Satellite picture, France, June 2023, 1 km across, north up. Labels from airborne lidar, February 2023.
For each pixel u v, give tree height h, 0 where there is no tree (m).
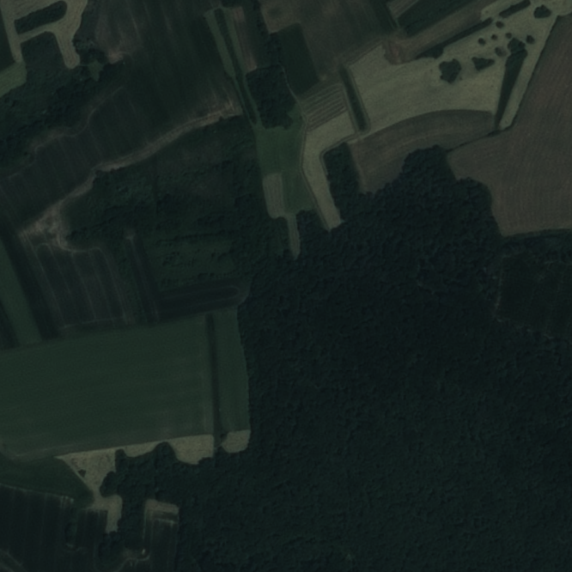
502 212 0
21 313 0
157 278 0
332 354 23
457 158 0
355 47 0
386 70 0
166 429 0
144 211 16
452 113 0
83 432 0
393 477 20
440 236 23
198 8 0
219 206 0
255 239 7
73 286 0
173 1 0
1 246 0
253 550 21
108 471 0
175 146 0
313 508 22
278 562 23
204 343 0
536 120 0
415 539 22
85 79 6
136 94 0
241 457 16
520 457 22
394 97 0
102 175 13
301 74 0
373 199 12
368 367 26
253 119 7
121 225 15
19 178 0
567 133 0
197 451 0
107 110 0
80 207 0
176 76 0
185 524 15
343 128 0
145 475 21
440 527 24
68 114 14
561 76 0
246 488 27
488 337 30
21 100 6
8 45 0
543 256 27
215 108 0
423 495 21
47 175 0
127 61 0
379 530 20
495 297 30
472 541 23
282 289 27
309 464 22
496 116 0
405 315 30
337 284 28
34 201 0
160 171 0
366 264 28
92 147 0
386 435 19
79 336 0
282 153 0
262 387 22
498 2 0
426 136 0
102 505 0
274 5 0
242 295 0
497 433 19
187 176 7
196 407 0
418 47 0
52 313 0
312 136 0
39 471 0
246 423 0
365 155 0
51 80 7
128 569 0
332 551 17
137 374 0
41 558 0
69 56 0
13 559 0
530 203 0
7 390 0
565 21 0
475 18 0
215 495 24
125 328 0
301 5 0
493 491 21
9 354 0
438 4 0
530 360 26
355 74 0
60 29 0
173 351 0
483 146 0
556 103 0
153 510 0
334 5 0
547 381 31
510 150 0
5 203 0
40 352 0
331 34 0
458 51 0
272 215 0
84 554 0
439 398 20
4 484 0
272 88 7
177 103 0
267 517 26
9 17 0
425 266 33
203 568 28
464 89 0
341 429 19
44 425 0
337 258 27
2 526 0
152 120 0
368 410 17
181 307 0
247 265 7
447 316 29
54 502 0
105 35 0
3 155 17
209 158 0
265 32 9
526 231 0
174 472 24
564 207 0
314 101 0
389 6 0
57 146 0
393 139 0
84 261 0
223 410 0
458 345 28
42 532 0
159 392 0
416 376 23
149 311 0
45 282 0
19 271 0
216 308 0
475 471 21
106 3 0
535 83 0
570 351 29
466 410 21
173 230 6
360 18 0
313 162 0
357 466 22
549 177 0
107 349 0
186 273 0
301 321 27
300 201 0
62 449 0
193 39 0
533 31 0
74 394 0
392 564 20
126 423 0
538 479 23
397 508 25
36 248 0
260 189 0
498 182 0
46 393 0
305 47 0
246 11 0
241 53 0
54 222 0
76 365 0
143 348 0
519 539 22
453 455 20
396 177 0
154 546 0
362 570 20
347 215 18
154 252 0
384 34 0
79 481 0
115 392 0
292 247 0
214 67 0
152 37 0
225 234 14
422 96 0
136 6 0
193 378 0
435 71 0
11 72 0
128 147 0
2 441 0
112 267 0
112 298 0
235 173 9
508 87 0
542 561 22
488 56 0
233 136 0
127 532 19
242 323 14
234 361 0
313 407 23
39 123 12
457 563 22
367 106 0
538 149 0
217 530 25
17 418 0
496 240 26
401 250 29
